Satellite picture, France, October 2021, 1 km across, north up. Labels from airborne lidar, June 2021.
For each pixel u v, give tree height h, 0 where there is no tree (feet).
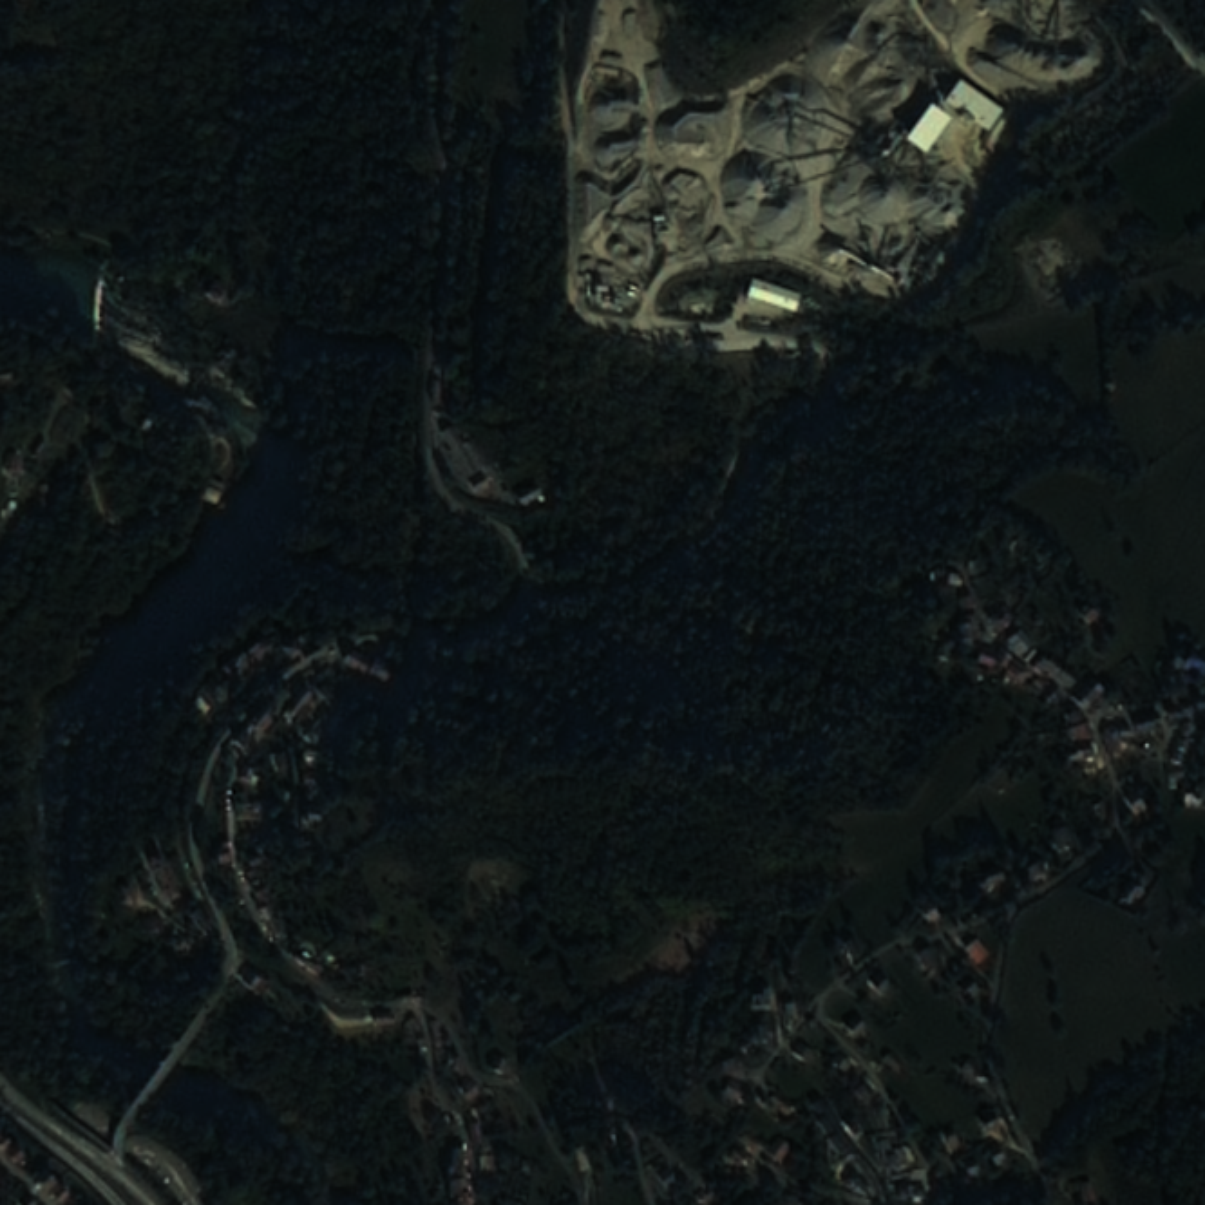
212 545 0
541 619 61
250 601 86
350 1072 65
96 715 75
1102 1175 0
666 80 0
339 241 87
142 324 0
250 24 107
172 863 31
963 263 58
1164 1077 28
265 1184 61
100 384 63
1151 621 0
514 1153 24
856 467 27
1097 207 41
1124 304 46
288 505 42
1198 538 0
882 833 0
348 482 67
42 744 0
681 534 29
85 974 71
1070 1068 0
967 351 56
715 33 51
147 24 48
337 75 86
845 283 0
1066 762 36
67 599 72
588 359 52
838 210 0
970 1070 0
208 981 71
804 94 0
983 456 28
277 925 0
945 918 19
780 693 79
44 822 0
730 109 0
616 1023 30
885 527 53
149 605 0
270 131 92
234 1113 72
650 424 53
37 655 71
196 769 55
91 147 72
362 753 74
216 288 0
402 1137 40
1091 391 0
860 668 65
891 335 64
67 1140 0
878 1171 0
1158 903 0
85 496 51
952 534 60
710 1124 26
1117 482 71
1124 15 31
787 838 28
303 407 95
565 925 63
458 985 0
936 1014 0
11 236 40
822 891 58
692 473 34
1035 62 0
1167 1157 56
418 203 76
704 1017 27
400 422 80
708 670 49
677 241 0
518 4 0
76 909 77
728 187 0
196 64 94
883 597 67
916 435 60
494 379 69
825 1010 0
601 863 57
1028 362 0
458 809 42
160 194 43
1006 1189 23
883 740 40
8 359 37
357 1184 58
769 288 0
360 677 0
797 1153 39
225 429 37
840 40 0
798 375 33
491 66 0
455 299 55
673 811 35
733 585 66
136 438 36
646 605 60
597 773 31
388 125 81
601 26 0
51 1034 85
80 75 54
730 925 44
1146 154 0
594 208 0
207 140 81
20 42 0
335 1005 0
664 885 62
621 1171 33
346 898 22
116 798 76
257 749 21
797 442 54
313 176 63
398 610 62
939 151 0
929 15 0
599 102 0
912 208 0
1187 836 0
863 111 0
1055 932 0
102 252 25
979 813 0
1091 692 0
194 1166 48
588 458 73
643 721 54
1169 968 0
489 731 74
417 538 21
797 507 41
